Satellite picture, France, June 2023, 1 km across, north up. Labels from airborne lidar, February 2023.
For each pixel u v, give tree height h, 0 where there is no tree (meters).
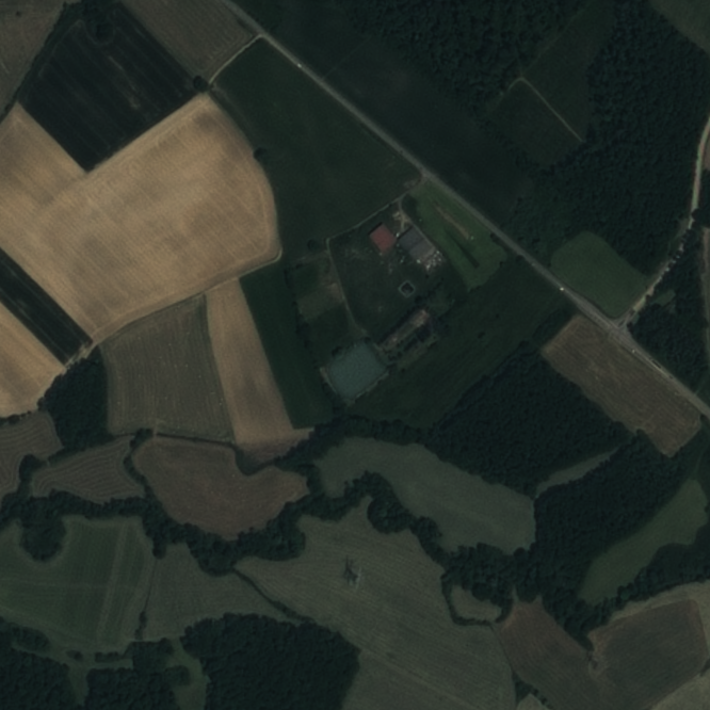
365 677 0
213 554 15
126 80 0
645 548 0
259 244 0
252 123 0
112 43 0
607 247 0
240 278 0
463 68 25
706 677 0
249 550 18
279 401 0
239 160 0
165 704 23
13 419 8
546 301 0
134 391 0
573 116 0
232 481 0
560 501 24
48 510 10
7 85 0
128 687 23
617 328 0
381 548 0
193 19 0
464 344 0
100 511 14
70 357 0
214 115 0
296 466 16
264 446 0
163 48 0
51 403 19
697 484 0
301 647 27
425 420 0
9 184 0
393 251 0
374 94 0
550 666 0
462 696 0
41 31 0
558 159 0
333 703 20
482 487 0
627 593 17
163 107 0
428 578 0
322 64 0
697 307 21
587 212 17
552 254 0
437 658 0
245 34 0
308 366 0
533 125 0
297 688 25
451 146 0
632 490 23
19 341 0
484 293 0
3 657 22
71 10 6
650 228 25
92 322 0
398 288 0
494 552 6
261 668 26
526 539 0
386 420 0
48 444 0
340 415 15
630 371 0
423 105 0
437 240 0
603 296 0
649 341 31
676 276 17
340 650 22
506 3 26
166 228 0
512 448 24
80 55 0
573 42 0
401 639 0
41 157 0
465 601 0
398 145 0
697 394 0
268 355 0
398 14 22
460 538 0
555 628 0
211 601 0
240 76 0
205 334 0
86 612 0
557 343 0
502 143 13
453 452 20
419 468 0
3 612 0
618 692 0
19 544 0
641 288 0
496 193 0
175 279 0
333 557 0
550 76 0
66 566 0
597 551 24
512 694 0
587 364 0
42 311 0
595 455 13
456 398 0
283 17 0
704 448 0
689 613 0
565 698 0
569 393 25
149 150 0
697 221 11
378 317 0
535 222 6
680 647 0
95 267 0
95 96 0
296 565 0
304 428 0
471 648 0
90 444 20
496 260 0
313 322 0
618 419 0
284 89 0
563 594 22
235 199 0
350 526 0
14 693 22
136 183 0
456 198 0
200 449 0
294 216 0
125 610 0
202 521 0
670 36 23
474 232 0
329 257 0
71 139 0
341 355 11
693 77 24
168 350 0
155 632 0
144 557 0
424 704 0
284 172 0
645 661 0
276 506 0
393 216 0
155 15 0
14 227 0
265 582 0
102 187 0
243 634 23
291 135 0
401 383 0
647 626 0
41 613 0
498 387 22
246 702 24
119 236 0
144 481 13
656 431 0
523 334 0
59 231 0
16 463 0
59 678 25
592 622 16
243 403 0
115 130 0
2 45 0
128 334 0
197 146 0
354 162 0
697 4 0
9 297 0
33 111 0
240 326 0
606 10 0
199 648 20
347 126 0
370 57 0
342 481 0
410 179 0
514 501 0
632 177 24
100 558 0
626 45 26
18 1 0
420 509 0
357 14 13
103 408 14
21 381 0
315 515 14
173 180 0
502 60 28
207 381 0
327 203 0
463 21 27
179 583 0
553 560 21
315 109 0
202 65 0
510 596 12
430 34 20
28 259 0
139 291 0
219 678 23
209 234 0
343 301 0
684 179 18
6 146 0
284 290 0
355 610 0
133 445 12
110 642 0
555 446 26
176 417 0
